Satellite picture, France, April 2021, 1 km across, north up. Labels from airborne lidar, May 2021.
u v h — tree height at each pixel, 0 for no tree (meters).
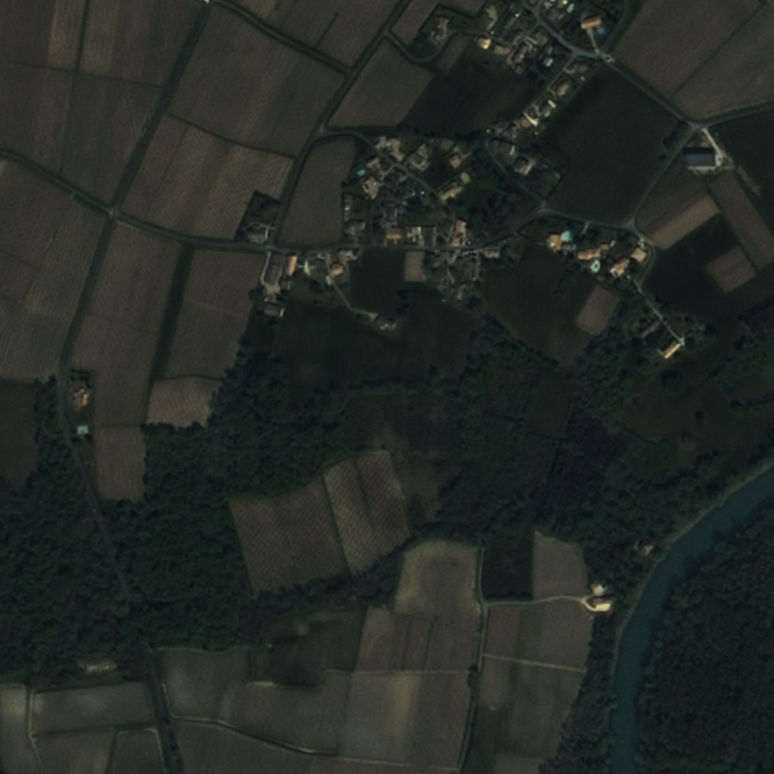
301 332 0
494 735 0
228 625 25
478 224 15
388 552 0
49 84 0
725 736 28
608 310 0
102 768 0
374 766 0
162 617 29
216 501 25
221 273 0
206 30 0
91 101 0
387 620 0
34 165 0
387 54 0
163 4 0
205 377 0
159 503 20
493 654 0
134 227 0
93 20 0
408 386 13
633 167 0
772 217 0
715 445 0
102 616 8
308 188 0
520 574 0
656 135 0
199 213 0
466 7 0
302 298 0
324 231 0
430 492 0
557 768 16
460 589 0
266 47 0
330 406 28
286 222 0
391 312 0
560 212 0
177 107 0
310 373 0
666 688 29
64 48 0
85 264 0
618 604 16
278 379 18
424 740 0
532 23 8
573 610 0
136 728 0
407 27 0
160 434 17
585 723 17
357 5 0
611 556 7
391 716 0
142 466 0
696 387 0
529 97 0
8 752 0
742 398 0
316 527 0
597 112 0
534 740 0
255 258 0
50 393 13
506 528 14
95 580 23
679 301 0
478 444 15
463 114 0
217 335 0
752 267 0
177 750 12
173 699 0
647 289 0
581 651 0
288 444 13
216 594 24
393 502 0
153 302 0
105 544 18
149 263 0
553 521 27
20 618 20
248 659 0
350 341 0
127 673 10
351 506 0
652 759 25
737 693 26
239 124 0
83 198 0
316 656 0
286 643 0
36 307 0
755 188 0
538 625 0
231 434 16
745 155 0
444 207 7
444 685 0
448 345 0
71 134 0
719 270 0
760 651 29
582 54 0
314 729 0
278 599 13
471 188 0
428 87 0
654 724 33
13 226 0
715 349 0
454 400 9
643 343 10
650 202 0
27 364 0
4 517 18
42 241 0
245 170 0
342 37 0
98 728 0
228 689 0
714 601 29
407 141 14
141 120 0
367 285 0
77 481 23
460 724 0
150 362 0
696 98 0
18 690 0
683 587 20
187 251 0
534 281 0
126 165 0
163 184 0
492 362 7
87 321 0
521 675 0
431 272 12
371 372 0
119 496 0
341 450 11
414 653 0
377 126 0
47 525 16
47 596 30
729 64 0
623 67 0
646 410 0
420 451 8
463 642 0
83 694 0
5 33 0
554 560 0
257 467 20
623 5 7
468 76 0
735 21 0
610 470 18
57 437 14
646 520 25
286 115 0
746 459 0
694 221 0
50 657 9
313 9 0
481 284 9
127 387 0
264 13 0
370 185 0
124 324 0
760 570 24
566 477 8
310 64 0
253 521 0
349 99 0
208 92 0
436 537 16
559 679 0
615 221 0
